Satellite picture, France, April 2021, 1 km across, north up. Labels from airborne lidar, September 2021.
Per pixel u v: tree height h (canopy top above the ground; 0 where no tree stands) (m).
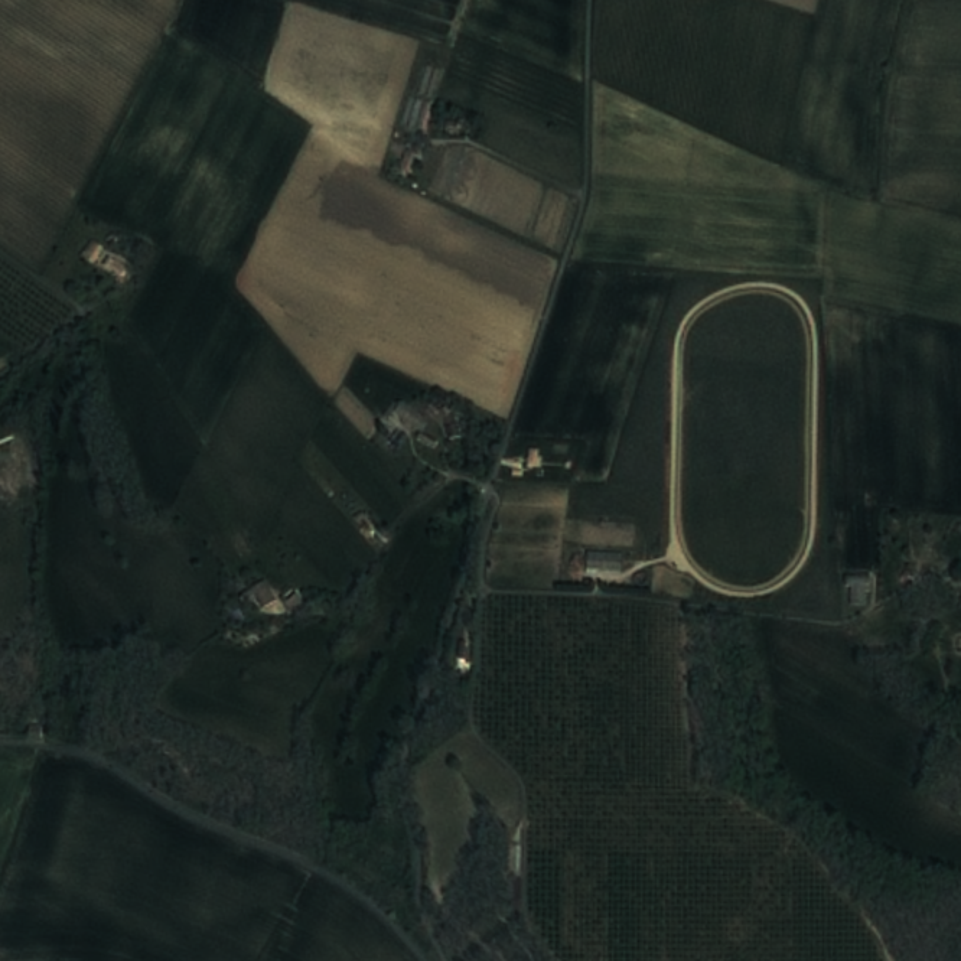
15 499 0
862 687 0
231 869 0
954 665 13
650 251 0
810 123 0
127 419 0
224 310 0
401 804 14
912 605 14
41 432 18
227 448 0
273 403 0
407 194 0
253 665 0
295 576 0
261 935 0
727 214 0
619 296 0
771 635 0
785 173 0
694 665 21
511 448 0
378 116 0
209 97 0
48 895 0
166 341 0
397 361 0
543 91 0
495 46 0
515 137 0
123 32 0
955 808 20
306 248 0
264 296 0
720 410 0
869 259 0
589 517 0
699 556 0
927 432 0
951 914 19
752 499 0
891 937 14
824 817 23
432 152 9
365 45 0
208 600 0
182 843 0
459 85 0
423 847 18
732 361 0
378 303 0
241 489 0
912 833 0
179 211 0
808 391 0
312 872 0
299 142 0
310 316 0
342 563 0
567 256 0
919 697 24
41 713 17
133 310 0
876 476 0
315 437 0
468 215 0
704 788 17
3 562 0
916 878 26
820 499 0
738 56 0
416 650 0
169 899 0
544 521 0
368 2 0
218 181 0
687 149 0
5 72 0
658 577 0
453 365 0
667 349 0
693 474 0
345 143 0
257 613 13
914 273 0
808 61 0
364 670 0
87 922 0
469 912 16
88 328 7
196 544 0
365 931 0
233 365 0
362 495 0
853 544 0
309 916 0
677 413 0
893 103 0
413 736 17
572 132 0
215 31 0
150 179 0
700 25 0
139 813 0
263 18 0
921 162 0
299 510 0
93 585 0
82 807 0
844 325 0
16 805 0
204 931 0
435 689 23
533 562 0
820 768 0
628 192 0
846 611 0
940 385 0
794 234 0
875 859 22
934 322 0
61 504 0
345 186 0
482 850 20
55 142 0
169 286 0
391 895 8
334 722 0
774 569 0
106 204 0
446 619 6
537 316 0
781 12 0
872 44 0
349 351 0
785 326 0
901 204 0
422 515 0
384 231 0
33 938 0
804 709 0
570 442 0
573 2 0
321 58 0
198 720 0
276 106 0
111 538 10
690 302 0
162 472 0
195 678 0
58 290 0
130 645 25
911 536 0
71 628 0
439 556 0
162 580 0
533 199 0
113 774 0
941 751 22
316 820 21
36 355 9
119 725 15
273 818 11
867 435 0
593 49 0
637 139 0
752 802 18
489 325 0
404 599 0
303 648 0
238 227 0
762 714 23
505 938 15
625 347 0
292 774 19
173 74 0
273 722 0
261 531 0
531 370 0
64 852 0
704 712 23
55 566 0
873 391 0
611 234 0
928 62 0
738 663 25
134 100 0
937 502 0
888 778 0
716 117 0
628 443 0
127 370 0
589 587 10
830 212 0
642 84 0
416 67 0
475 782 0
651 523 0
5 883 0
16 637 9
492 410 0
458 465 8
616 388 0
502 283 0
